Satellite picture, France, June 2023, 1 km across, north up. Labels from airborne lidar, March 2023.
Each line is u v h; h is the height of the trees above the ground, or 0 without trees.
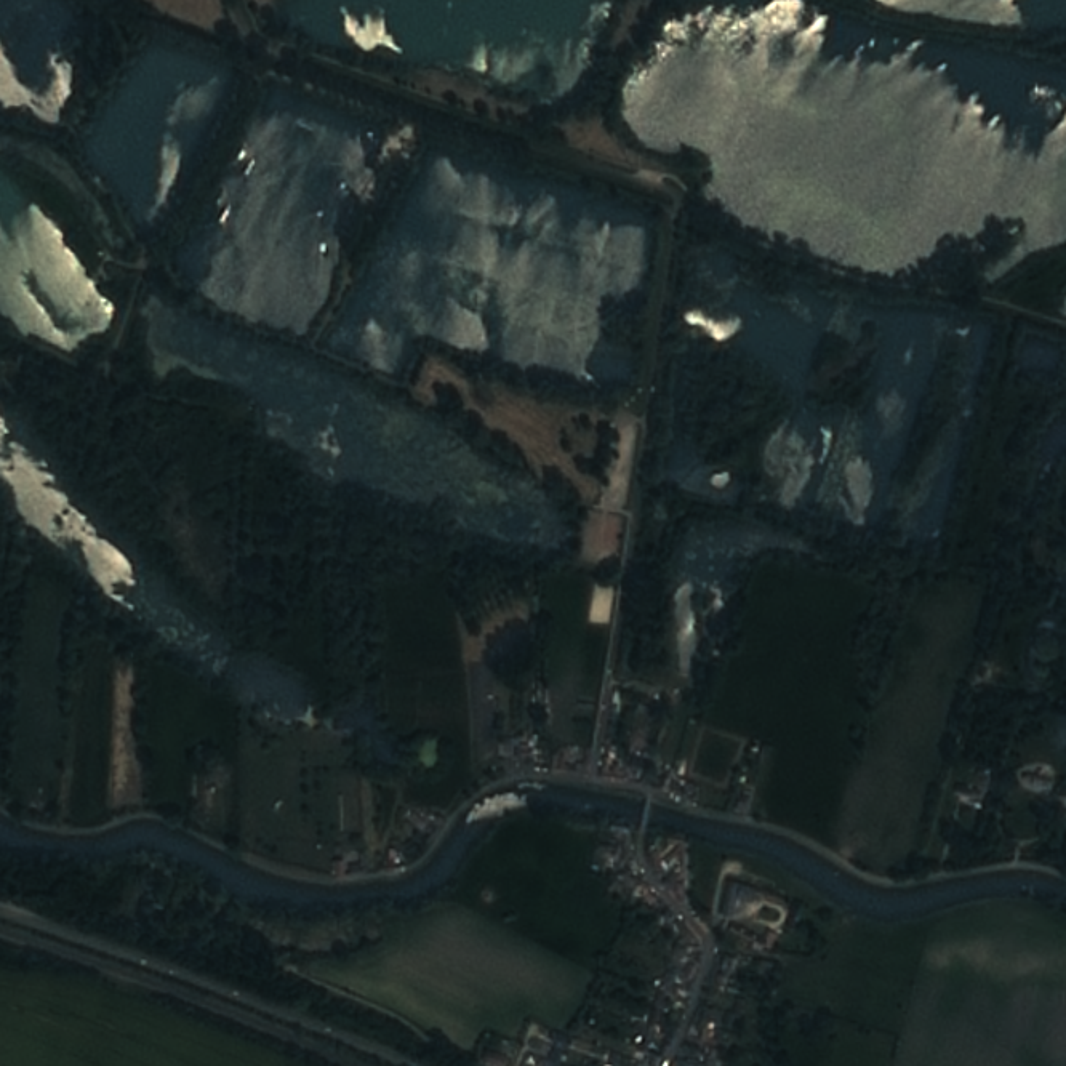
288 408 0
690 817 0
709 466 7
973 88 0
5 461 0
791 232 0
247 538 16
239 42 29
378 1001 0
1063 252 0
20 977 0
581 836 0
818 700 0
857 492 0
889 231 0
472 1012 0
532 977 0
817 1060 0
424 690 0
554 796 0
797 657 0
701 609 8
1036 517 30
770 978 12
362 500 20
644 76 0
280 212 0
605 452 12
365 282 0
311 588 13
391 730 11
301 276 0
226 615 7
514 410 0
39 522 0
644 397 0
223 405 0
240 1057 0
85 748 0
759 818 6
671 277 8
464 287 0
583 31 0
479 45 0
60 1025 0
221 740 0
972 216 0
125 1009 0
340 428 0
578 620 0
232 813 0
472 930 0
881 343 0
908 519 0
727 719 0
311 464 0
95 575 0
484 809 0
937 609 0
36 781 0
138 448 8
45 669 0
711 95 0
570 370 0
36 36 0
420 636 0
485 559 17
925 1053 0
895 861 0
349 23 0
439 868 0
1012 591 18
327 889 0
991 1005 0
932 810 6
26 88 0
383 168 21
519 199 0
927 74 0
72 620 15
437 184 0
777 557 12
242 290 0
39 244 0
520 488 0
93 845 0
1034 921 0
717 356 12
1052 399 9
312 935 0
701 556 0
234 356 0
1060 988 0
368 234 26
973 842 17
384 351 0
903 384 0
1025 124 0
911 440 7
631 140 8
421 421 0
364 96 28
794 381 0
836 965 0
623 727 10
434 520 17
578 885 0
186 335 0
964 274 28
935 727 0
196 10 0
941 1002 0
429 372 0
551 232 0
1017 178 0
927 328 0
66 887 11
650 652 14
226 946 14
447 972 0
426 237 0
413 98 0
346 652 18
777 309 0
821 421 0
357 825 0
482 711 0
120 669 0
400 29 0
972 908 0
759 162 0
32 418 7
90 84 10
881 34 0
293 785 0
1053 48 10
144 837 0
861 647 10
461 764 0
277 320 0
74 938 0
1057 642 14
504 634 0
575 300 0
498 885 0
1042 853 12
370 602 21
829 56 0
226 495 5
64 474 7
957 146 0
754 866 0
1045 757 0
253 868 0
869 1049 0
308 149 0
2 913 0
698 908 7
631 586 26
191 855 0
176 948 9
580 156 0
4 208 0
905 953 0
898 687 0
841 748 0
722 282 0
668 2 17
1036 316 0
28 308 0
